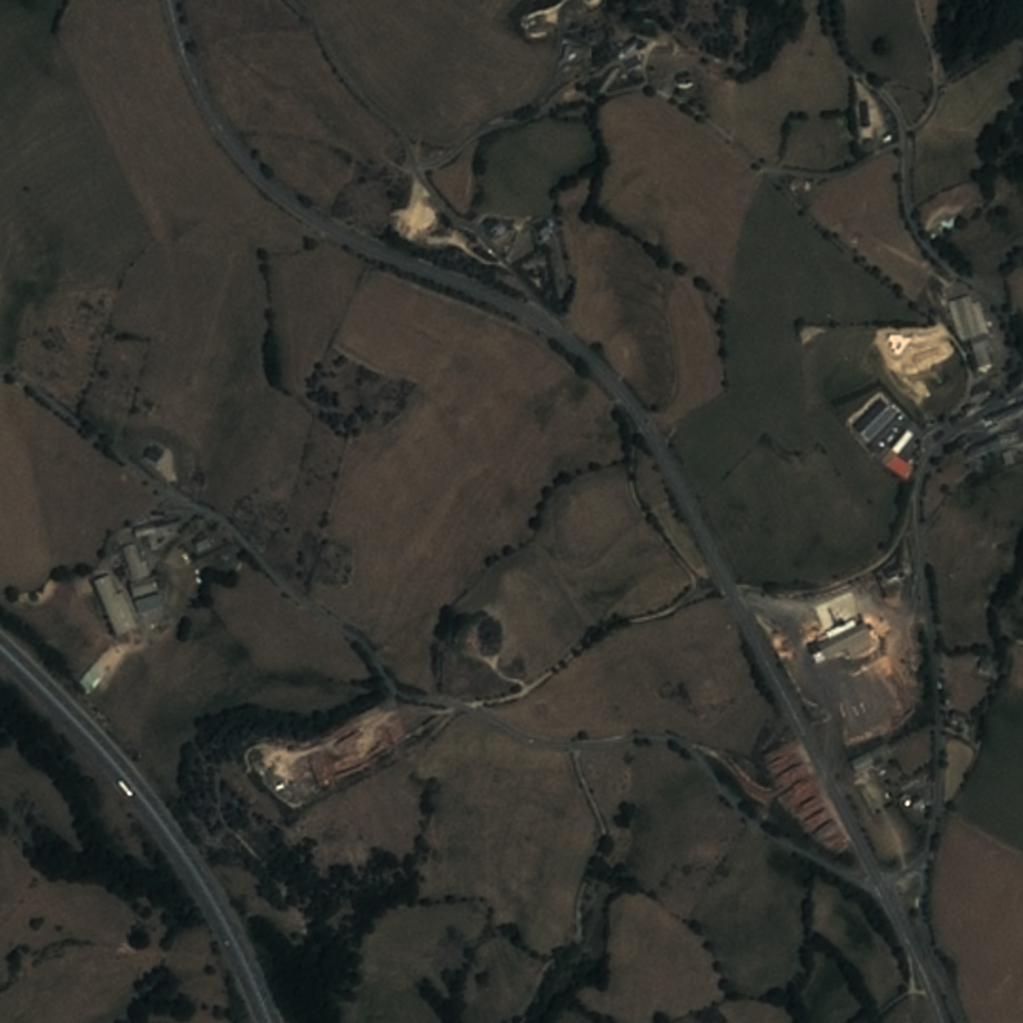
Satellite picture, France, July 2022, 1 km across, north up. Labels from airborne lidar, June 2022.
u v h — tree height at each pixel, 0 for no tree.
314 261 0
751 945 0
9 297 0
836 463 0
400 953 0
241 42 0
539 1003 10
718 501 0
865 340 0
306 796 0
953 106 0
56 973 0
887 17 0
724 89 0
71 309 0
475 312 0
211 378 0
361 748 0
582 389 0
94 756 0
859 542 0
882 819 0
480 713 0
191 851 0
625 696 0
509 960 0
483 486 0
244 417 0
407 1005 0
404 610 0
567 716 0
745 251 0
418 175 0
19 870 0
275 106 0
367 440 0
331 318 0
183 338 0
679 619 0
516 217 0
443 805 0
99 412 0
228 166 0
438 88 0
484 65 0
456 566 0
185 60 0
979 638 0
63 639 0
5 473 0
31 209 0
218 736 11
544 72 0
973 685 0
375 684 13
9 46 0
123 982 0
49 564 0
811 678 0
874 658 0
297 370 0
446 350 0
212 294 0
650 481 0
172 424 0
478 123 0
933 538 0
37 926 10
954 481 0
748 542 0
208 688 0
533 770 0
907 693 0
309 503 0
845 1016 0
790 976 0
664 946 0
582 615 0
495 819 0
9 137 0
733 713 0
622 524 0
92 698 0
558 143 0
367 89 0
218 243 0
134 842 0
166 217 0
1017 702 0
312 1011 18
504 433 0
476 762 0
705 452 0
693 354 0
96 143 0
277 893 13
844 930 0
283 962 15
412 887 12
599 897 0
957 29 16
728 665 0
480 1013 0
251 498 0
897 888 0
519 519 0
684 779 0
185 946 0
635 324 0
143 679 0
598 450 0
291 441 0
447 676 0
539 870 0
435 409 0
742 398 0
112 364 0
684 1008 0
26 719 12
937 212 0
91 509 0
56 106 0
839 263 0
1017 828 0
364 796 0
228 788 12
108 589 0
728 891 0
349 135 0
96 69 0
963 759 0
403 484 0
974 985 0
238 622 0
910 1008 0
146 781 0
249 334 0
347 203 0
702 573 0
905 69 0
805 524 0
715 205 0
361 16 0
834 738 0
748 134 0
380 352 0
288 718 8
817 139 0
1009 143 13
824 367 0
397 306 0
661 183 0
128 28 0
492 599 0
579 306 0
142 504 0
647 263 0
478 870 0
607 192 0
